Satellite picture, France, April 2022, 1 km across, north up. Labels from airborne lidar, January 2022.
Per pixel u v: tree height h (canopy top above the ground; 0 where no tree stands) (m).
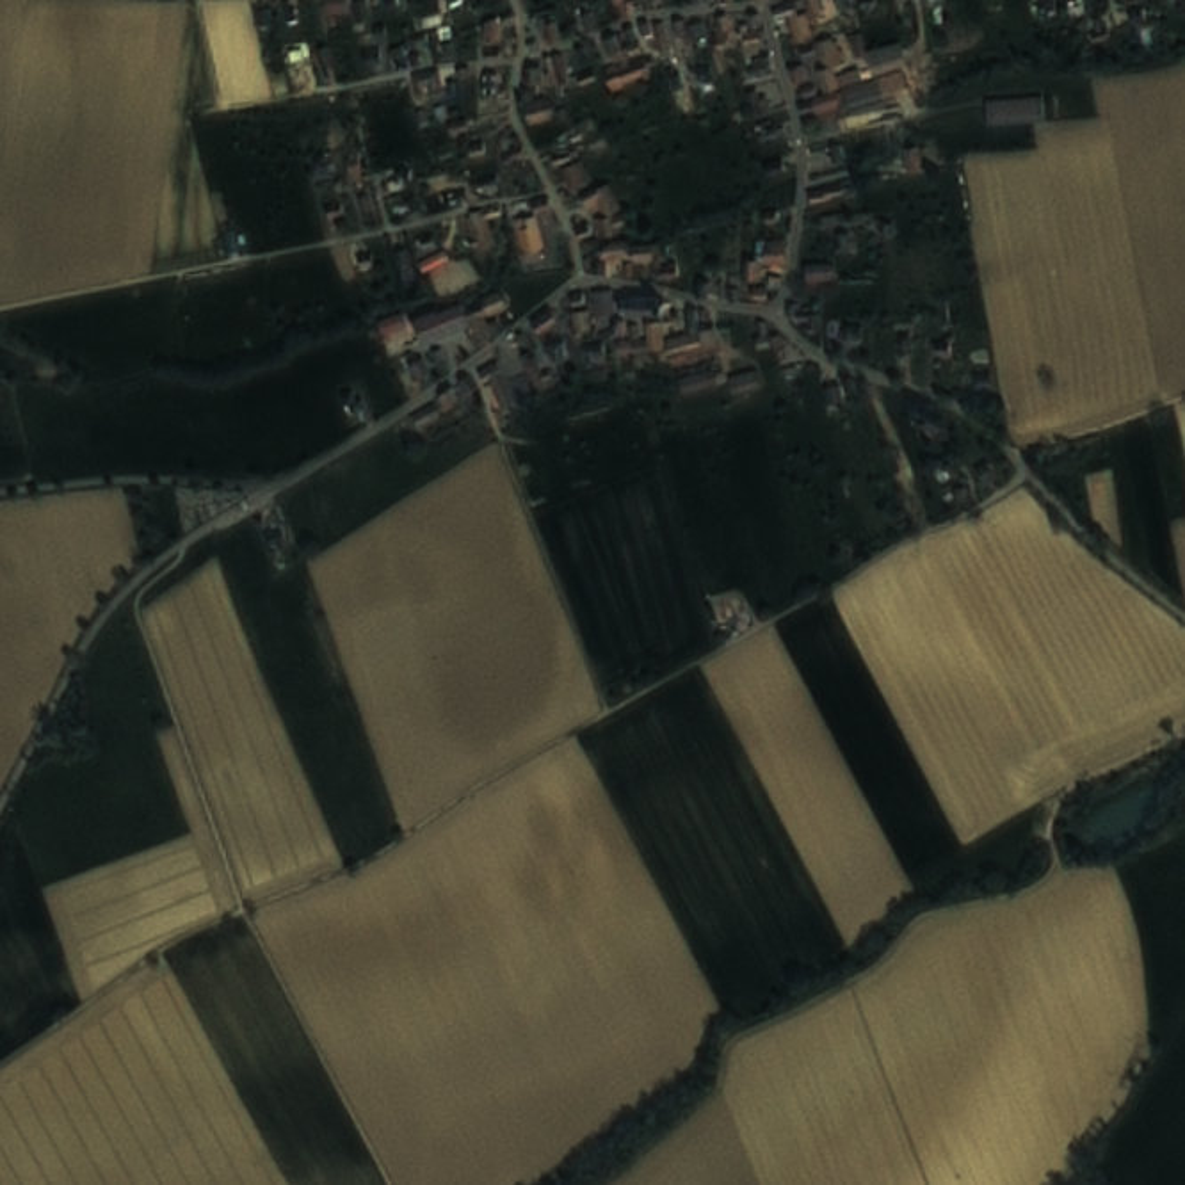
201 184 0
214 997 0
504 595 0
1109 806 0
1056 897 0
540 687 0
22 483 0
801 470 0
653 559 0
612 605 0
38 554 0
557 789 0
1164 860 0
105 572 0
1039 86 0
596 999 0
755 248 0
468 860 0
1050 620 0
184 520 0
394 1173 0
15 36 0
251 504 0
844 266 0
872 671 0
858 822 0
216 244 0
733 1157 0
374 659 0
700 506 0
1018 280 0
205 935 0
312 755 0
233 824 0
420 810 0
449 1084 0
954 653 0
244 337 0
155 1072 0
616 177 0
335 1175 0
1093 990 0
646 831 0
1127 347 0
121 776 0
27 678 0
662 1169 0
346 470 0
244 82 0
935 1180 0
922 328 0
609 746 0
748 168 0
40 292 0
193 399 0
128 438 0
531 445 0
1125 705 0
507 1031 0
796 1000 19
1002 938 0
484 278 6
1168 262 0
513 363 0
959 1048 0
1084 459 8
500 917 0
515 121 0
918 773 0
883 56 0
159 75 0
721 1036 18
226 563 0
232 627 0
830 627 0
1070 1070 0
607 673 0
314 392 0
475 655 0
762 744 0
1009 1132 0
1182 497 0
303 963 0
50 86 0
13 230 0
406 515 0
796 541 0
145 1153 0
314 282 0
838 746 0
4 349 0
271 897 0
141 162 0
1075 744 0
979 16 0
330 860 0
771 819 0
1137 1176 0
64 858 0
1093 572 0
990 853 0
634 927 0
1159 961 0
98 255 0
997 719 0
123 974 0
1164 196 0
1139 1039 0
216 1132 0
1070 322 0
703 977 0
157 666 0
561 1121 0
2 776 0
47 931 0
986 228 0
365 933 0
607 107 0
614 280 0
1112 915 0
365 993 0
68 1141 0
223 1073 0
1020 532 0
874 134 0
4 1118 0
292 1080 0
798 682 0
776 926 0
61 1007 10
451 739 0
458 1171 0
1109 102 0
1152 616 0
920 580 0
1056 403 0
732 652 0
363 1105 0
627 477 0
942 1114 0
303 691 0
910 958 0
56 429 0
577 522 0
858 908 0
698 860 0
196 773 0
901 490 10
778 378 0
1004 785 0
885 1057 0
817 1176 0
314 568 0
